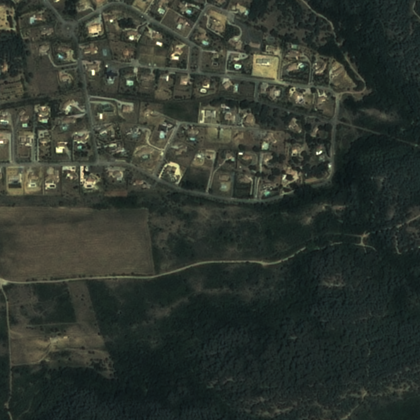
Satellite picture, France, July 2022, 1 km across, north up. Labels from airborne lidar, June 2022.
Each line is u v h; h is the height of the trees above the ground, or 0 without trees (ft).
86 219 0
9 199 0
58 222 0
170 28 0
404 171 44
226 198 0
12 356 0
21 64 37
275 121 36
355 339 24
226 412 38
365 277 31
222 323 39
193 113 0
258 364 43
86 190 0
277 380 33
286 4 26
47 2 0
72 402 27
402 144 36
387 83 56
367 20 54
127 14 0
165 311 0
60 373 25
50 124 23
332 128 41
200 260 0
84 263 0
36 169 0
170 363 52
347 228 30
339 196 57
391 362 45
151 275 0
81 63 0
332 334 18
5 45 36
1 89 0
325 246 27
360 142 62
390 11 41
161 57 0
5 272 0
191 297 26
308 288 40
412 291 34
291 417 24
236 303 36
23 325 0
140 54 0
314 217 22
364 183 45
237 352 28
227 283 21
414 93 50
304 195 87
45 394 28
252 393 30
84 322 0
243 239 21
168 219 0
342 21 29
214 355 24
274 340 30
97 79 0
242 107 32
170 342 25
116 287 0
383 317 33
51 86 0
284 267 23
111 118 0
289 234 24
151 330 26
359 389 27
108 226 0
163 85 0
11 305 0
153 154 0
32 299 0
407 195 42
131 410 47
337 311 44
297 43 43
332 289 36
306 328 39
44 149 0
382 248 41
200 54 0
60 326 0
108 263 0
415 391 24
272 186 0
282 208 36
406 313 40
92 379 41
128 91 20
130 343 19
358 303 31
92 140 0
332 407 28
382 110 18
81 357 0
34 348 0
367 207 35
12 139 0
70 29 0
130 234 0
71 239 0
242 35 0
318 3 48
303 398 27
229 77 0
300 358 43
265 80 0
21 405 18
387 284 19
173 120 0
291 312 25
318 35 36
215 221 0
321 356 60
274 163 30
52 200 0
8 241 0
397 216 29
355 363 32
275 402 28
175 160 0
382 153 49
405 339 41
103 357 0
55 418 58
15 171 0
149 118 0
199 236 0
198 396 35
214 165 18
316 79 32
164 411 61
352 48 68
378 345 44
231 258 0
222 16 0
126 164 0
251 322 38
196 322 64
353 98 31
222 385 43
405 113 40
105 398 48
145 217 0
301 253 20
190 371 23
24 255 0
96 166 0
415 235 31
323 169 47
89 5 0
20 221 0
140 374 30
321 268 45
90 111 0
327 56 35
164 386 23
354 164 62
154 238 0
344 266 28
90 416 49
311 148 42
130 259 0
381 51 50
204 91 0
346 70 30
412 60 44
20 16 23
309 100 0
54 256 0
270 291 20
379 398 21
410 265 37
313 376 43
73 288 0
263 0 26
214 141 0
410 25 21
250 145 0
